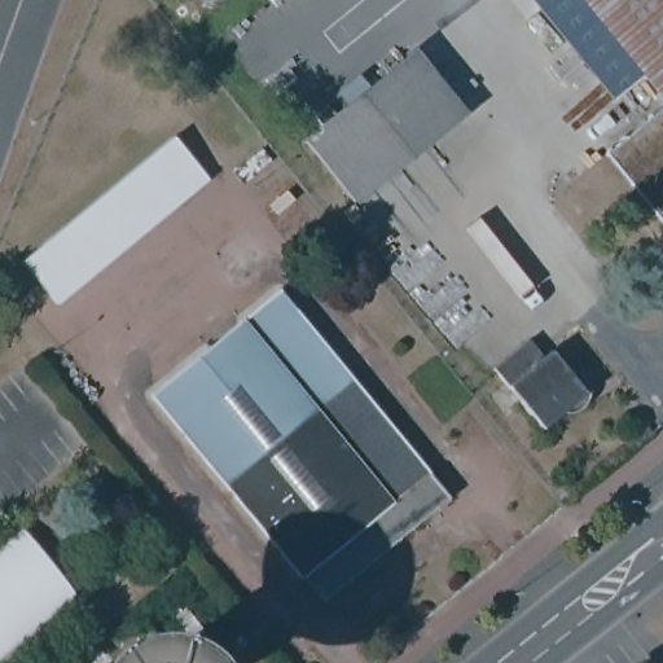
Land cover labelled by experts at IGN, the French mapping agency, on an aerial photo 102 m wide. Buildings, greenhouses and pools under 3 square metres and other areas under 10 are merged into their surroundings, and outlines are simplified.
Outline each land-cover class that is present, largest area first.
<instances>
[{"label":"impervious surface","instance_id":"1","mask_svg":"<svg viewBox=\"0 0 663 663\"><path fill-rule=\"evenodd\" d=\"M60 0H0V168L10 148L13 129L28 96L49 28L54 23ZM417 47L425 49L427 60L435 65L440 78L453 88L464 106L471 109L448 135L440 137V142H425L420 148V158L399 166L401 176L381 186L383 199L394 207L391 228L396 230V236L386 238L391 254L396 256L391 275L412 293V298L427 311L435 326L453 344L474 350L482 357V363L492 370L500 368L521 344L534 339L541 352H559L590 394L601 396L609 376L622 378L619 388L635 391L645 407L655 409L658 427V438L647 443L627 466H622L606 482L590 489L583 497V502L567 508L554 510L541 526L526 521L521 526L518 515L513 513L518 510V502H513L510 471L495 456L477 451L471 456L448 438L451 430L438 422L435 414H427L417 394L409 391V386L396 376V368L386 360L378 342L370 337L368 326L350 316L352 311L332 319L311 295L300 293L295 285L285 287V290L287 298L311 319V324L324 334L334 352L347 363V368L381 401V407L414 443V448L427 458L435 477L448 487V492L458 495V500L448 508L445 515L433 518V523L425 531H420V536L412 541V554L407 559L388 562L378 572H373V590L368 601H360V596L352 593L337 609L319 611L313 590L308 585L293 588L287 583V572L280 557L272 559L267 554V541L256 536V531L243 521L230 497L218 487V482L207 474L197 456L179 440L174 427L150 404L148 391L158 381L153 378L150 357L142 350H135L127 357V370L122 373L119 386H106L104 401L98 407L109 417L119 404H124L132 417V425L158 451V461L150 466V471L166 484L168 492L197 497L199 521L205 523V534L215 554L246 585L236 596V601H241L246 609L264 611L269 616V624L280 632V637L285 642H293L303 653L306 663H368L357 642H368L370 637L363 632V622L370 614H378L388 606L404 609L412 601L414 570H427L438 565L445 554L451 557L456 549L466 546L477 539L497 541L500 557L482 565L479 572L466 583L469 588L458 593L453 603L440 601L427 614L425 627L399 655L388 663H663V326L627 329L606 316L609 295L603 293L598 277L596 256L588 251L583 236L572 225H567L552 207V199L562 192L565 184H570V171L590 168L598 163V155H606L619 179L632 189L637 184L632 174L622 166V161L614 153H606V148L593 145L603 137V132L614 129L616 119L629 114L632 106L658 104L663 98V93H653L647 80L642 78L627 85L622 93L609 91V85L601 83V78L578 54V49L541 21L536 0H269L262 5L256 16H249V26H243L241 36L236 39V60L249 73L262 78V83H277L280 88L295 93V109L308 106L311 114L324 122L342 111L339 91L344 83L357 78L378 83V75L383 78L386 73L396 70L404 62L407 52ZM603 502H609L611 510H622L624 515L622 541L614 546L596 541L588 526L593 513ZM85 438L78 433V427L70 420L57 422L52 409L34 394L31 386L23 376H18L13 383H5L0 388V510L21 508L39 489V482L54 471V466L67 469L73 464L83 451Z\"/></svg>","mask_w":663,"mask_h":663},{"label":"herbaceous vegetation","instance_id":"2","mask_svg":"<svg viewBox=\"0 0 663 663\"><path fill-rule=\"evenodd\" d=\"M269 0H60L54 23L49 28L28 96L13 129L10 148L0 168V269L13 280L18 290L16 306L21 316H26L21 337L13 339L10 350L0 347V388L5 383H13L18 376H23L31 386L34 381L26 365L36 355H44V360H49L65 388L80 401L85 414L96 422L106 440L142 479L140 484H129L106 471L101 464H96L93 451H83L73 464L78 466V479H88L93 487L91 510L96 513V518L111 513L114 502L137 505L140 513H148L161 521V526L166 528V541L171 546L189 549H197L236 596L246 585L215 554L205 534V523L199 521L197 497L168 492L166 484L150 471V466L158 461V451L132 425V417L124 404H119L109 417L98 407L104 401L106 386H119L122 373L127 370V357L135 350H142L150 357L153 378L158 381L171 376L199 347L215 344L236 324L241 311L251 308L272 287L285 290V287L282 246L298 230H306L311 238H319L324 251H332L337 243H355L360 251L368 254V267L373 269L381 285L370 303L352 311L350 316L368 326L370 337L378 342L386 360L396 368V376L409 386V391L417 394L427 414H435L438 422L451 430L448 438L471 456L477 451L495 456L510 471L513 502H518V510L513 513L518 515L521 526L526 521L541 526L554 510L567 508V487H557L552 482V471L559 466V461H565L570 448L580 443H596L603 451H614L622 445V438H611L601 430L603 420H619L629 414L640 422L647 430L658 427L655 409L645 407L635 391L619 388L622 378L609 376L601 396L590 394L575 412H570V422L557 445L539 451L534 448L528 433V422L534 420L523 407L513 401L510 391L500 388L492 370L482 363V357L474 350L453 344L435 326L427 311L412 298V293L391 275L396 256L391 254L386 238L396 236V230L391 228L394 207L383 199L350 202L344 197L347 184L334 174V168L324 161V155L316 148V140H321L324 135V129L319 127L311 137L303 140L300 135H293L285 127L272 124L269 101H280V88L277 83H262V78L249 73L236 60V39L241 36L243 26H249V16H256L262 5ZM117 36L127 39L129 47H135L137 52L145 44L166 47L171 62L176 65L197 62L202 70L199 80L207 85L210 93L199 98H184L174 91L148 88L137 80L132 60L122 70L104 65V52ZM176 137L210 174L207 184L197 189L186 202H181L171 215H166L155 228H150L140 241H135L124 254H119L111 264H106L67 300L54 303L39 282L36 269L28 264V256L36 249H41L70 220H75L85 207H91L101 194H106L117 181H122L132 168H137L148 155H153L161 145ZM632 189L619 179L606 155H598V163L590 168L570 171V184H565L562 192L552 199V207L567 225H572L583 236L593 220H601L603 212L619 197H624ZM616 241L622 246H640L642 251L655 243L663 249V210H655L653 215V220L642 228H616ZM57 487L39 489L21 508L31 515L28 534L52 559L60 557V541L47 523L39 521V513H52ZM477 552L482 565L500 557L497 541L477 539L466 546ZM451 557L445 554L438 565L427 570H414L412 601L404 609L388 606L378 614H370L363 622V632L370 637H383L399 655L425 627L427 614L440 601L453 603L458 593L469 588L466 583L461 588H451ZM119 585L93 590V614L98 619L101 637V642H96L98 658L93 663H109V653L122 658L124 653L140 645V640L127 635L124 616L129 614V601H142L150 590L148 585H137L129 578L117 575Z\"/></svg>","mask_w":663,"mask_h":663},{"label":"building","instance_id":"3","mask_svg":"<svg viewBox=\"0 0 663 663\"><path fill-rule=\"evenodd\" d=\"M541 21L578 49V54L601 78V83L609 85V91L622 93L627 85L642 78L647 80L653 93H663V0H536ZM342 111L324 122L319 127L324 129V135L321 140H316V148L324 155V161L334 168V174L347 184L344 197L350 202L383 199L381 186L401 176L399 166L420 158V148L425 142H440V137L448 135L471 109L464 106L453 88L440 78L435 65L427 60L425 49L417 47L407 52L404 62L396 70L386 73L383 78L378 75V83L357 78L344 83L339 91ZM606 148V153H614L622 161V166L632 174L637 184L624 197L627 202H635L640 212L653 215L655 210H663V98L658 104L632 106L629 114L616 119L614 129L603 132V137L593 145ZM210 174L176 137L161 145L153 155H148L137 168H132L122 181H117L106 194H101L91 207H85L75 220H70L41 249H36L28 256V264L36 269L39 282L54 303L67 300L106 264H111L119 254H124L135 241H140L150 228H155L166 215H171L181 202H186L197 189L207 184ZM150 404L174 427L179 440L197 456L207 474L218 482V487L230 497L243 521L256 531V536L267 541V554L272 559L280 557L287 572V583L293 588L308 585L313 590L319 611L337 609L352 593L360 596V601H368L373 590V572H378L388 562L407 559L412 554V541L420 536V531H425L433 523V518L445 515L448 508L458 500V495L448 492V487L435 477L427 458L414 448V443L381 407V401L347 368V363L334 352L324 334L311 324V319L287 298L285 290L272 287L251 308L241 311L236 324L215 344L199 347L171 376L158 381L148 391ZM500 388L510 391L513 401L523 407L534 420L544 430L557 425L559 420L570 422V412H575L590 394L559 352H541L534 339L521 344L500 368L492 370ZM75 596L73 585L52 559L28 534H18L0 552V660H5L26 637H31L39 629V624L52 619L65 601ZM179 627L174 632H155V637L140 640V645L124 653L122 658L109 653V663H236V658L220 642L202 637L199 619L189 609H179Z\"/></svg>","mask_w":663,"mask_h":663},{"label":"deciduous trees","instance_id":"4","mask_svg":"<svg viewBox=\"0 0 663 663\"><path fill-rule=\"evenodd\" d=\"M132 60L137 80L148 88L174 91L184 98H199L210 93L207 85L199 80L202 70L197 62L176 65L171 62L166 47L145 44L137 52L135 47H129L127 39L117 36L104 52V65L122 70ZM295 93L280 88V101H269L272 124L285 127L293 135H300L303 140L311 137L319 127L324 122L311 114L308 106L295 109ZM653 220V215L640 212L635 202H627L624 197H619L603 212L601 220H593L583 236L588 251L596 256L616 254L622 246L616 241V228H642ZM285 287L295 285L300 293L311 295L332 319L352 311L370 303L381 285L373 269L368 267V254L360 251L355 243H337L332 251H324L319 238H311L306 230H298L282 246ZM18 290L13 280L0 269V347L10 350L13 339L21 337L26 316H21L16 306ZM601 430L611 438H622V445H635L640 440V422L629 414L619 420H603ZM57 487L52 513H39V521L47 523L60 541V557L52 559L73 585L75 596L65 601L52 619L39 624V629L31 637H26L5 660H0V663H93L98 658L96 642H101V637L98 619L93 614V590L119 585L117 575L129 578L137 585H148L150 590L142 601H129V614L124 616L127 635L140 640L155 637V632H174L179 627V609H184V588L171 578L176 567L184 565L189 549L171 546L166 541V528L161 526V521L148 513H140L137 505L114 502L111 513L96 518V513L91 510L93 487L88 479H78V466L73 464L67 469L54 466V471L39 482V489ZM624 515L622 510H611L609 502H603L593 513L588 526L596 541L614 546L622 541ZM31 515L21 508L0 510V552L18 534H28ZM482 565L477 552L466 546L456 549L451 557V588H461L466 583L479 572ZM368 663H388L399 655L383 637H370L368 642H357Z\"/></svg>","mask_w":663,"mask_h":663},{"label":"brushwood","instance_id":"5","mask_svg":"<svg viewBox=\"0 0 663 663\"><path fill-rule=\"evenodd\" d=\"M34 381L31 386L34 394L52 409L57 422L70 420L78 427V433L85 438L83 451H93L96 464H101L106 471L129 484H140L142 479L106 440L96 422L85 414L80 401L65 388L49 360H44V355H36L26 365ZM570 422L559 420L557 425L544 430L534 420L528 422V433L534 448L539 451L557 445ZM658 427L647 430L640 422V440L635 445H622L614 451H603L596 443H580L570 448L565 461H559V466L552 471V482L557 487H567V508L583 502V497L590 489L606 482L622 466H627L647 443L658 438ZM184 588V609H189L199 619L202 637L220 642L236 658V663H306L303 653L293 642H285L280 637V632L269 624V616L264 611L246 609L241 601H236V596L197 549H189L184 565L176 567L171 578Z\"/></svg>","mask_w":663,"mask_h":663},{"label":"coniferous trees","instance_id":"6","mask_svg":"<svg viewBox=\"0 0 663 663\"><path fill-rule=\"evenodd\" d=\"M598 277L603 293L609 295L606 316L627 329L663 326V249L655 243L642 251L640 246H622L616 254L596 256Z\"/></svg>","mask_w":663,"mask_h":663}]
</instances>
